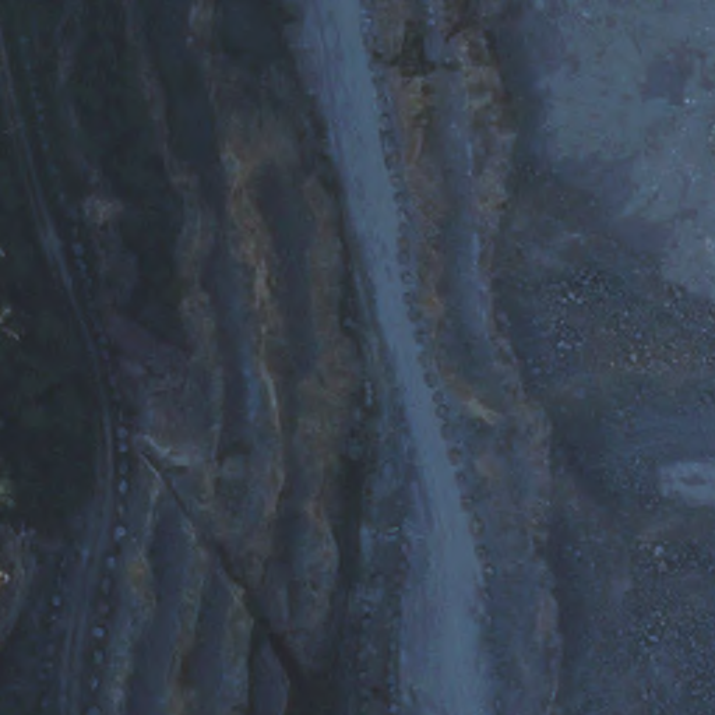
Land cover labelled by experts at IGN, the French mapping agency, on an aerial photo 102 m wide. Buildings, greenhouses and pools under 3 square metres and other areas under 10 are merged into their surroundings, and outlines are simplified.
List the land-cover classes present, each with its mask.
<instances>
[{"label":"pervious surface","instance_id":"1","mask_svg":"<svg viewBox=\"0 0 715 715\"><path fill-rule=\"evenodd\" d=\"M0 137H6L11 148V165L6 168V173L22 196V209L14 221V237L34 257L20 271V288L31 296H39L28 310L39 318L45 330V341L31 346L25 358H17L14 369H0V397L8 399L17 413V430L0 441V455L8 464V475L20 464H28L34 469L31 506L25 511H11L6 525L0 522V715H715V0H0Z\"/></svg>","mask_w":715,"mask_h":715},{"label":"brushwood","instance_id":"2","mask_svg":"<svg viewBox=\"0 0 715 715\"><path fill-rule=\"evenodd\" d=\"M11 165V148L6 137H0V369H14L17 358H25L31 346L45 341V330L39 318L28 310L39 296H31L20 288V271L34 257L14 237V221L22 209V196L6 173V168ZM17 430V413L8 399L0 397V441ZM34 469L28 464H20L8 475V464L0 455V522L6 525L11 511H25L31 506Z\"/></svg>","mask_w":715,"mask_h":715}]
</instances>
